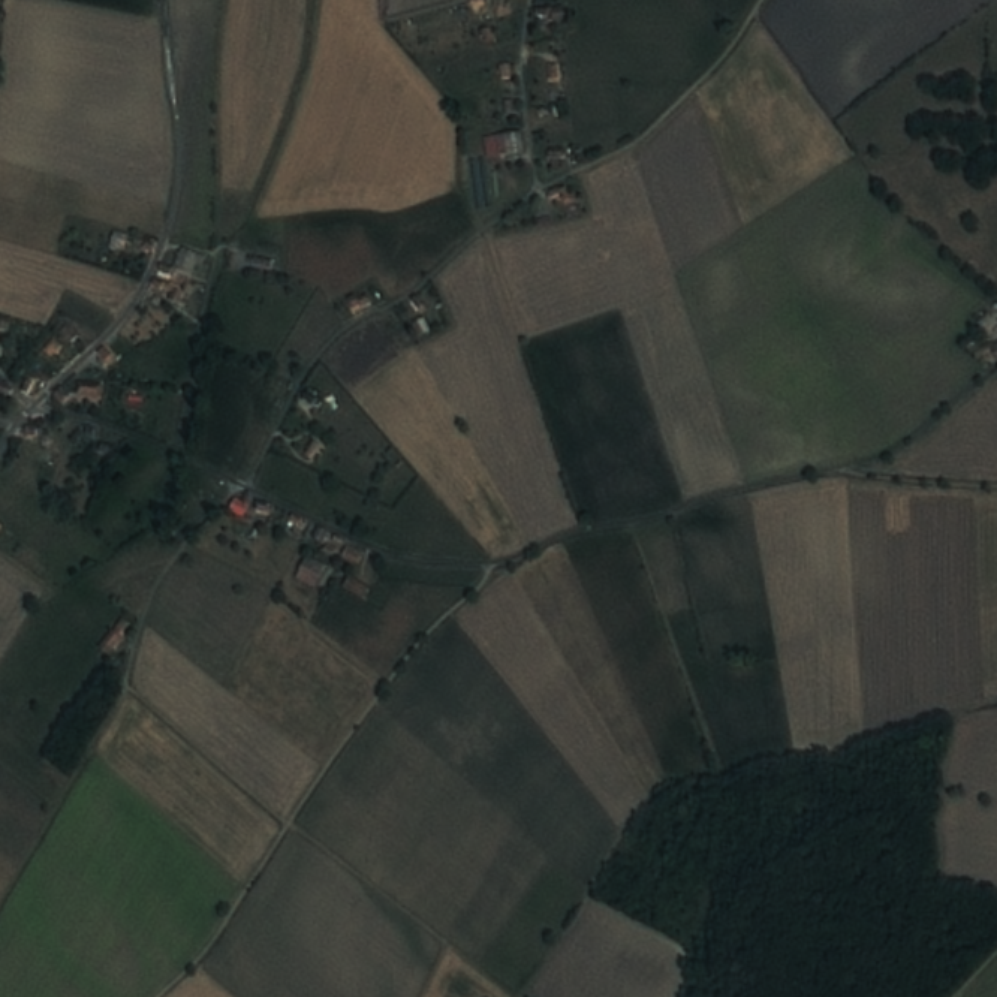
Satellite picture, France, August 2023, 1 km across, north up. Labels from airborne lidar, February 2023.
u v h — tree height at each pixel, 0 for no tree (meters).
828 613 0
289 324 0
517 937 0
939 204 0
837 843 17
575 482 0
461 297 0
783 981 14
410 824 0
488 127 0
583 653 0
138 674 0
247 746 0
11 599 0
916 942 23
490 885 0
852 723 0
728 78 0
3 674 0
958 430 0
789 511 0
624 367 0
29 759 0
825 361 0
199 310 0
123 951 0
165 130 0
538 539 0
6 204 0
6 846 0
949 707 0
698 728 0
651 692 0
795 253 0
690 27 0
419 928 0
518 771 0
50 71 0
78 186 0
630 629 0
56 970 0
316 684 0
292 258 0
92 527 0
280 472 0
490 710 0
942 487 10
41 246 0
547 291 0
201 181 0
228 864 0
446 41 0
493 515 0
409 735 0
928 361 0
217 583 0
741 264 0
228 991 0
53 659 0
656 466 0
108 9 0
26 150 0
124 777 0
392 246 0
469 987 0
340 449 0
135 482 0
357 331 0
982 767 0
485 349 0
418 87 0
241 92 0
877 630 0
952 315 0
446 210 0
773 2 0
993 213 0
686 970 13
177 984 0
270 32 0
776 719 0
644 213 0
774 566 0
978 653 0
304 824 0
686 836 14
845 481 0
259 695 0
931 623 0
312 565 0
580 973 0
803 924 15
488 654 0
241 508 0
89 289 0
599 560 0
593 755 0
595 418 0
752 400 0
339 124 0
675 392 0
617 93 0
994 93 22
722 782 11
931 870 20
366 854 0
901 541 0
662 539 0
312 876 0
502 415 0
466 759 0
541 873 0
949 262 12
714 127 0
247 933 0
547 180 0
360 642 0
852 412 0
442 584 0
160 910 0
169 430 0
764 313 0
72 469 8
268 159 0
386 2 0
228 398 0
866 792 11
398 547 0
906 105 0
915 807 13
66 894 0
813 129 0
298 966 0
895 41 0
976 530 0
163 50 0
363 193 0
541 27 9
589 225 0
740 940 8
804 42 0
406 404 0
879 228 0
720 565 0
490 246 0
